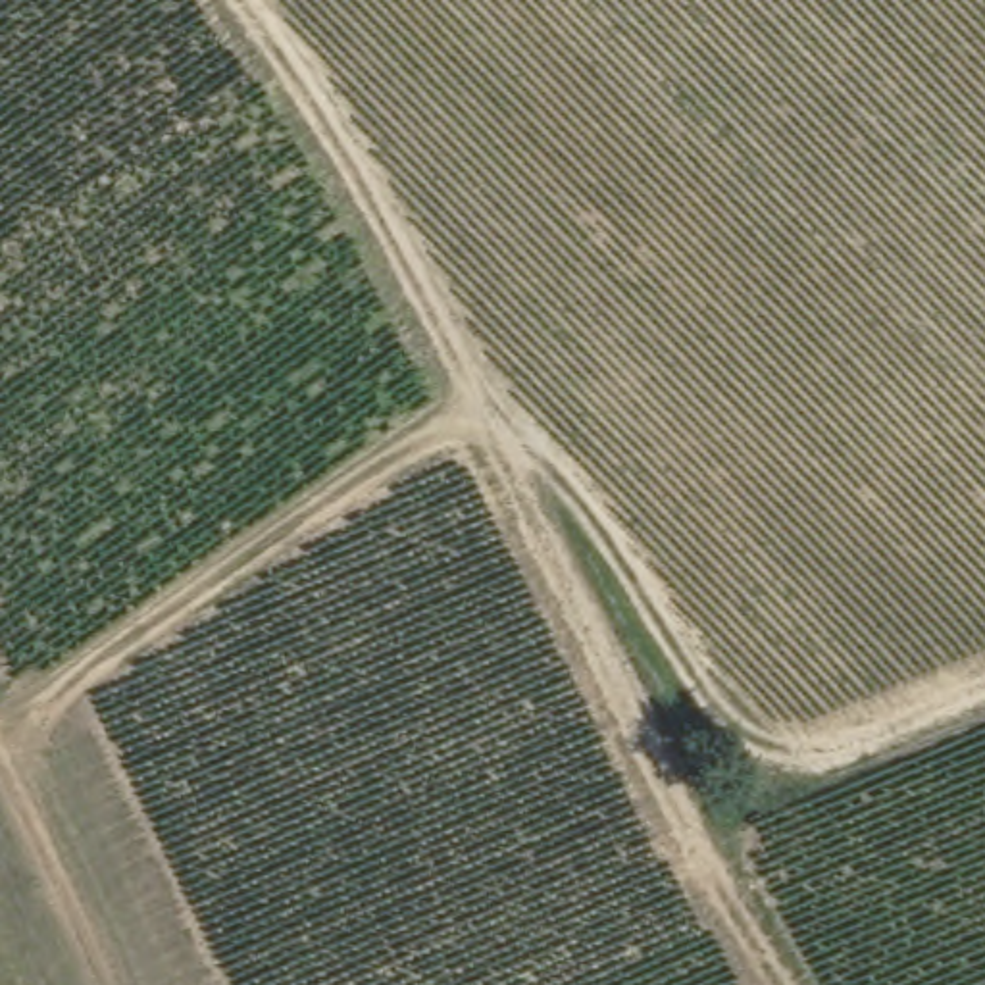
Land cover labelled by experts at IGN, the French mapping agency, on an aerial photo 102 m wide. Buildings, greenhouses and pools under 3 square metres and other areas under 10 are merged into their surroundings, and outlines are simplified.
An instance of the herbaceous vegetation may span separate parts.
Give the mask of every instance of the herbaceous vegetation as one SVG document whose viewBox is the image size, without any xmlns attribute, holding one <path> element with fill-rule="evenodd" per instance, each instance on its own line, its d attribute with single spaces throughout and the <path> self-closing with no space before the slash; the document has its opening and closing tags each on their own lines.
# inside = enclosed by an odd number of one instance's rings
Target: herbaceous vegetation
<svg viewBox="0 0 985 985">
<path fill-rule="evenodd" d="M 723 831 L 712 843 L 727 862 L 739 897 L 750 904 L 773 950 L 793 970 L 796 985 L 820 985 L 793 927 L 785 923 L 777 897 L 758 877 L 758 831 L 746 827 Z"/>
<path fill-rule="evenodd" d="M 500 543 L 516 558 L 531 589 L 535 612 L 543 616 L 554 650 L 562 654 L 577 693 L 585 696 L 604 754 L 619 773 L 623 793 L 635 804 L 635 816 L 650 839 L 666 831 L 666 816 L 646 793 L 646 781 L 635 773 L 639 758 L 646 754 L 654 762 L 662 781 L 689 789 L 712 766 L 727 766 L 731 754 L 743 746 L 735 727 L 716 723 L 704 708 L 693 704 L 662 650 L 654 646 L 654 639 L 646 635 L 646 627 L 639 623 L 627 593 L 581 531 L 581 523 L 573 519 L 573 512 L 543 485 L 535 489 L 539 504 L 562 531 L 593 600 L 608 619 L 608 631 L 623 646 L 623 658 L 631 662 L 646 696 L 639 731 L 619 735 L 616 716 L 608 712 L 608 700 L 581 654 L 581 643 L 562 619 L 562 604 L 550 596 L 543 573 L 523 554 L 508 493 L 500 489 L 500 477 L 485 458 L 485 446 L 458 446 L 446 458 L 473 477 L 500 531 Z"/>
<path fill-rule="evenodd" d="M 81 985 L 77 958 L 38 889 L 35 870 L 23 858 L 23 846 L 0 827 L 0 985 Z"/>
<path fill-rule="evenodd" d="M 119 746 L 112 743 L 88 693 L 73 700 L 50 731 L 50 746 L 42 750 L 46 770 L 38 773 L 38 808 L 81 900 L 88 904 L 100 935 L 108 939 L 119 985 L 231 985 L 154 831 L 154 820 L 142 808 L 142 796 L 135 793 Z"/>
<path fill-rule="evenodd" d="M 50 677 L 46 669 L 31 669 L 0 689 L 0 735 L 27 716 L 31 696 Z"/>
</svg>

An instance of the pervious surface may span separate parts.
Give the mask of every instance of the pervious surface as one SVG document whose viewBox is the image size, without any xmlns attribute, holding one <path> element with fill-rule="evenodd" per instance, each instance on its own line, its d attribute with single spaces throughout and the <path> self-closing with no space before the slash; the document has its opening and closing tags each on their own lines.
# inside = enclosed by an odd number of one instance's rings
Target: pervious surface
<svg viewBox="0 0 985 985">
<path fill-rule="evenodd" d="M 739 985 L 796 985 L 793 970 L 773 950 L 750 904 L 739 897 L 727 862 L 712 843 L 689 789 L 662 781 L 654 762 L 646 754 L 639 758 L 635 773 L 646 781 L 646 793 L 666 816 L 666 831 L 650 839 L 650 850 L 662 862 L 669 862 L 700 927 L 712 931 L 723 947 Z"/>
<path fill-rule="evenodd" d="M 73 700 L 88 693 L 108 677 L 127 673 L 135 654 L 173 643 L 189 623 L 212 619 L 219 596 L 254 585 L 265 566 L 296 558 L 308 539 L 339 531 L 346 523 L 346 512 L 385 500 L 396 477 L 427 466 L 431 458 L 446 458 L 458 446 L 485 446 L 485 458 L 500 477 L 500 489 L 508 493 L 523 554 L 543 573 L 550 596 L 562 604 L 562 619 L 581 643 L 581 654 L 608 700 L 608 712 L 616 716 L 619 735 L 639 731 L 646 696 L 631 662 L 623 658 L 623 646 L 608 631 L 608 619 L 593 600 L 562 531 L 539 504 L 535 489 L 543 485 L 573 512 L 573 519 L 581 523 L 581 531 L 627 593 L 639 623 L 646 627 L 646 635 L 654 639 L 654 646 L 662 650 L 693 704 L 704 708 L 716 723 L 735 727 L 743 746 L 758 762 L 793 773 L 843 770 L 866 754 L 889 750 L 893 743 L 904 746 L 923 727 L 958 720 L 985 704 L 985 669 L 966 673 L 962 666 L 950 666 L 912 685 L 877 693 L 873 700 L 846 704 L 812 723 L 750 723 L 743 712 L 735 712 L 727 693 L 739 681 L 712 666 L 700 631 L 677 616 L 669 589 L 654 577 L 646 550 L 608 512 L 604 493 L 562 446 L 546 439 L 546 431 L 512 400 L 508 381 L 485 362 L 485 346 L 466 331 L 466 308 L 450 296 L 446 277 L 431 265 L 423 235 L 404 223 L 404 204 L 392 196 L 385 169 L 369 158 L 369 139 L 354 127 L 350 104 L 331 88 L 327 65 L 316 58 L 316 50 L 308 50 L 296 38 L 296 31 L 281 19 L 273 0 L 223 0 L 242 23 L 246 38 L 265 58 L 273 81 L 289 92 L 300 119 L 331 158 L 335 173 L 342 177 L 342 189 L 350 192 L 369 235 L 377 239 L 404 300 L 419 316 L 435 346 L 435 358 L 450 377 L 446 412 L 431 416 L 427 408 L 416 408 L 392 416 L 389 431 L 366 435 L 366 446 L 350 462 L 335 466 L 323 481 L 316 481 L 289 504 L 273 508 L 265 519 L 246 527 L 239 539 L 223 543 L 185 577 L 158 589 L 142 608 L 127 612 L 115 627 L 100 631 L 92 643 L 73 650 L 62 666 L 46 669 L 50 677 L 31 696 L 27 716 L 0 735 L 0 827 L 23 846 L 23 858 L 35 870 L 38 889 L 77 958 L 81 985 L 119 985 L 108 939 L 100 935 L 88 904 L 81 900 L 38 808 L 38 773 L 46 770 L 42 750 L 50 746 L 50 731 Z"/>
</svg>

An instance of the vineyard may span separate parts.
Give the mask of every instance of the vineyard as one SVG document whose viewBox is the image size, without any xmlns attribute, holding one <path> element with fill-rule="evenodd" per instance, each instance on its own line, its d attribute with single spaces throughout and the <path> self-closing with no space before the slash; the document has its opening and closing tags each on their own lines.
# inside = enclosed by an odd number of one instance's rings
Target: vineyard
<svg viewBox="0 0 985 985">
<path fill-rule="evenodd" d="M 296 38 L 308 50 L 316 50 L 316 58 L 327 65 L 331 88 L 350 104 L 354 127 L 369 139 L 369 158 L 385 169 L 392 196 L 404 204 L 404 223 L 423 235 L 431 265 L 446 277 L 450 296 L 466 308 L 466 331 L 485 346 L 485 362 L 508 381 L 512 400 L 546 431 L 546 439 L 562 446 L 604 493 L 608 512 L 646 550 L 654 577 L 669 589 L 677 616 L 700 631 L 712 666 L 739 681 L 727 693 L 735 712 L 743 712 L 750 723 L 812 723 L 846 704 L 873 700 L 877 693 L 912 685 L 950 666 L 962 666 L 966 673 L 985 669 L 985 0 L 273 0 L 281 19 L 296 31 Z"/>
<path fill-rule="evenodd" d="M 793 773 L 758 762 L 766 789 L 762 804 L 743 816 L 746 827 L 758 831 L 758 877 L 777 897 L 785 923 L 793 927 L 820 985 L 985 985 L 985 704 L 958 720 L 923 727 L 904 746 L 893 743 L 889 750 L 866 754 L 843 770 Z"/>
<path fill-rule="evenodd" d="M 127 673 L 108 677 L 88 693 L 112 743 L 119 746 L 135 793 L 142 796 L 142 808 L 154 820 L 154 831 L 231 985 L 739 985 L 723 947 L 712 931 L 700 927 L 669 862 L 662 862 L 650 850 L 650 839 L 635 816 L 635 804 L 623 793 L 619 773 L 604 754 L 585 696 L 577 693 L 562 654 L 554 650 L 543 616 L 535 612 L 531 589 L 516 558 L 500 543 L 500 531 L 473 477 L 446 458 L 431 458 L 427 466 L 396 477 L 385 500 L 346 512 L 346 523 L 339 531 L 308 539 L 296 558 L 265 566 L 254 585 L 219 596 L 212 619 L 189 623 L 173 643 L 135 654 Z"/>
<path fill-rule="evenodd" d="M 331 158 L 300 119 L 289 92 L 273 81 L 265 58 L 246 38 L 242 23 L 223 0 L 0 0 L 0 689 L 31 669 L 46 669 L 62 666 L 73 650 L 92 643 L 100 631 L 115 627 L 127 612 L 142 608 L 158 589 L 185 577 L 223 543 L 239 539 L 246 527 L 265 519 L 273 508 L 289 504 L 316 481 L 323 481 L 335 466 L 350 462 L 366 446 L 366 435 L 389 431 L 392 416 L 416 408 L 427 408 L 431 416 L 446 412 L 450 377 L 435 358 L 435 346 L 419 316 L 404 300 L 377 239 L 369 235 L 350 192 L 342 189 L 342 177 L 335 173 Z"/>
</svg>

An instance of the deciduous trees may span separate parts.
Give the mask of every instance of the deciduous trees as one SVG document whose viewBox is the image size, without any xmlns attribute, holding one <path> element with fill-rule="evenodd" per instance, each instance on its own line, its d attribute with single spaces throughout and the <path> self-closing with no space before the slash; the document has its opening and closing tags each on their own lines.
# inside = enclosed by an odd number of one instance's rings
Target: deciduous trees
<svg viewBox="0 0 985 985">
<path fill-rule="evenodd" d="M 762 804 L 766 789 L 758 762 L 743 746 L 731 754 L 727 766 L 712 766 L 689 789 L 712 843 L 723 831 L 746 827 L 743 816 Z"/>
</svg>

